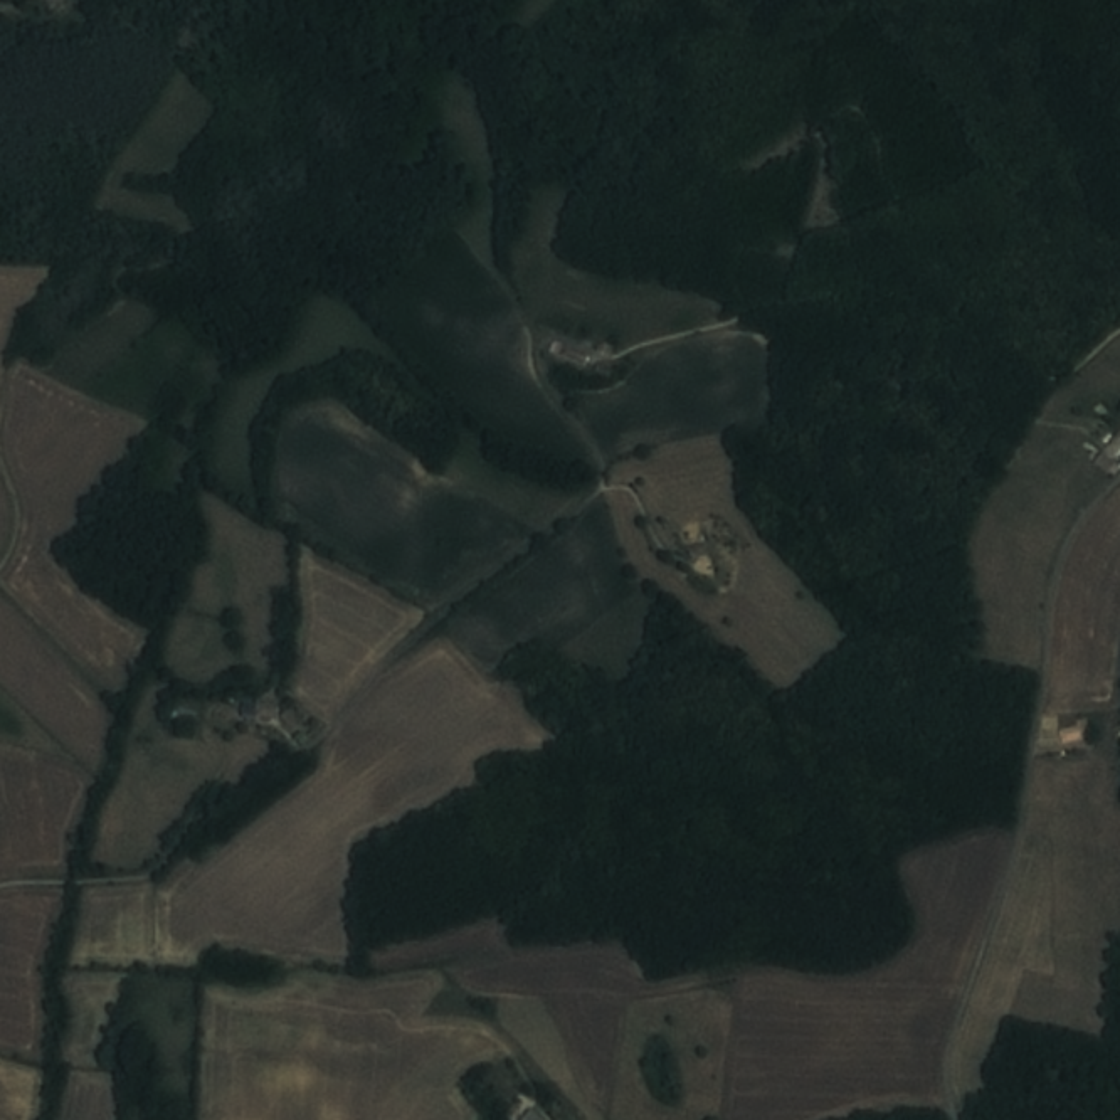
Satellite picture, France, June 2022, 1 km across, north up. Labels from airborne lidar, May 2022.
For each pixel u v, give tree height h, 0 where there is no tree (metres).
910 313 18
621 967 0
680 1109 0
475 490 0
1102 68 24
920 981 0
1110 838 0
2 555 0
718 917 17
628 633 0
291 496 0
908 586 23
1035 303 20
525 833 14
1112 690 0
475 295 0
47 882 0
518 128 8
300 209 26
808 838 15
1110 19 10
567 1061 0
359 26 15
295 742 6
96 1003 0
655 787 12
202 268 26
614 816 14
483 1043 0
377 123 30
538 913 12
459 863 14
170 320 9
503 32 14
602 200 19
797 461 15
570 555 0
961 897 0
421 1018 0
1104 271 18
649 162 22
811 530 16
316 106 22
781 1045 0
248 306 25
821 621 0
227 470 0
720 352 0
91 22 17
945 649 21
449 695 0
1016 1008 0
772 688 16
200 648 0
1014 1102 16
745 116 18
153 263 16
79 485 0
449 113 0
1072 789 0
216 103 13
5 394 0
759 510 16
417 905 13
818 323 15
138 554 27
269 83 14
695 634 17
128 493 21
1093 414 0
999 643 0
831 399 18
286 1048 0
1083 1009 0
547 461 20
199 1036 10
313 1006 0
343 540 0
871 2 19
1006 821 13
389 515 0
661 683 15
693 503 0
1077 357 12
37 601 0
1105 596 0
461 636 0
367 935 16
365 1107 0
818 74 9
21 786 0
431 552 0
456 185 23
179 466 0
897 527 20
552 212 0
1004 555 0
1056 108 17
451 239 0
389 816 0
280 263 30
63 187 9
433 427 24
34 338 5
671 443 0
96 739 0
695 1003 0
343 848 0
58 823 0
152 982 0
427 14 9
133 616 17
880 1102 0
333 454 0
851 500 25
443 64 21
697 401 0
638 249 17
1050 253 19
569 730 9
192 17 22
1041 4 10
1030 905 0
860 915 14
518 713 0
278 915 0
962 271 15
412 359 10
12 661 0
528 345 0
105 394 0
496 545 0
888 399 22
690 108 15
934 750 14
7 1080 0
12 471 0
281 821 0
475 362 0
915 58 17
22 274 0
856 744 14
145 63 19
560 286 0
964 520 16
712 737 16
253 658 0
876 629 21
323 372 12
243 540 0
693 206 13
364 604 0
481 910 16
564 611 0
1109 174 16
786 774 20
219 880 0
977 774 13
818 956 12
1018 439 14
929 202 13
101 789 11
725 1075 0
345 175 28
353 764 0
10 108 20
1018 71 17
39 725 0
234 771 0
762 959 8
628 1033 0
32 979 0
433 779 0
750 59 19
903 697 16
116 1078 16
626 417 0
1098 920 0
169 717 8
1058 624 0
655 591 16
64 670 0
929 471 20
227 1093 0
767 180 9
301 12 19
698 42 14
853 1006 0
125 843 0
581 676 19
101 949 0
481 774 9
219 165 14
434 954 0
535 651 14
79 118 22
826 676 13
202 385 0
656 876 11
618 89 21
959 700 13
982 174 19
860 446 20
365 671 0
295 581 8
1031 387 15
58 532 0
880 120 7
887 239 14
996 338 15
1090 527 0
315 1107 0
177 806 0
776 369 12
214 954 11
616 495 0
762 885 16
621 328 0
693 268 14
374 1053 0
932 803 15
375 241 27
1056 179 17
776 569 0
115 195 0
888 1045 0
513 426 0
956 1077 0
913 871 0
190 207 19
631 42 14
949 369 17
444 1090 0
